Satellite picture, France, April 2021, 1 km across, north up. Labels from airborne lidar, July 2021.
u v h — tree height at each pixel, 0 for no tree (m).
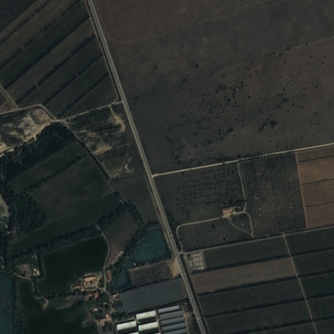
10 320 0
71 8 8
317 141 0
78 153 0
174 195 0
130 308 0
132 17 0
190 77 0
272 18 0
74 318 0
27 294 0
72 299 0
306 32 0
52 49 20
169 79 0
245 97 0
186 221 0
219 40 0
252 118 0
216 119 0
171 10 0
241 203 11
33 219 18
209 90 0
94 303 12
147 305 0
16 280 12
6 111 0
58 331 0
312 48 0
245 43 0
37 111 0
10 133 0
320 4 0
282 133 0
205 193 0
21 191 0
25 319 7
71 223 0
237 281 0
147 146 0
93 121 0
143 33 0
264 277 0
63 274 0
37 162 6
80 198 0
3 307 0
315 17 0
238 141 0
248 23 0
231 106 0
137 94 0
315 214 0
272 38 0
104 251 0
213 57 0
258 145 0
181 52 0
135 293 0
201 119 0
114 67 0
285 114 0
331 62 0
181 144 0
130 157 0
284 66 0
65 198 0
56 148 8
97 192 0
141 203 0
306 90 0
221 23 0
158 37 0
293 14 0
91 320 0
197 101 0
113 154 0
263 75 0
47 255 0
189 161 0
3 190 11
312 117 0
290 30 0
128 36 0
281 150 0
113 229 0
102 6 0
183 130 0
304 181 0
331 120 0
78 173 0
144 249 0
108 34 0
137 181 0
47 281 0
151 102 0
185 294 0
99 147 0
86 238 7
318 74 0
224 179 0
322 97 0
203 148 0
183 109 0
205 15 0
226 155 0
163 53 0
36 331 0
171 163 0
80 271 0
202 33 0
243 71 0
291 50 0
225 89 0
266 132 0
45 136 10
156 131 0
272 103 0
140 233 7
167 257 6
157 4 0
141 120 0
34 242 0
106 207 0
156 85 0
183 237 0
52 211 0
